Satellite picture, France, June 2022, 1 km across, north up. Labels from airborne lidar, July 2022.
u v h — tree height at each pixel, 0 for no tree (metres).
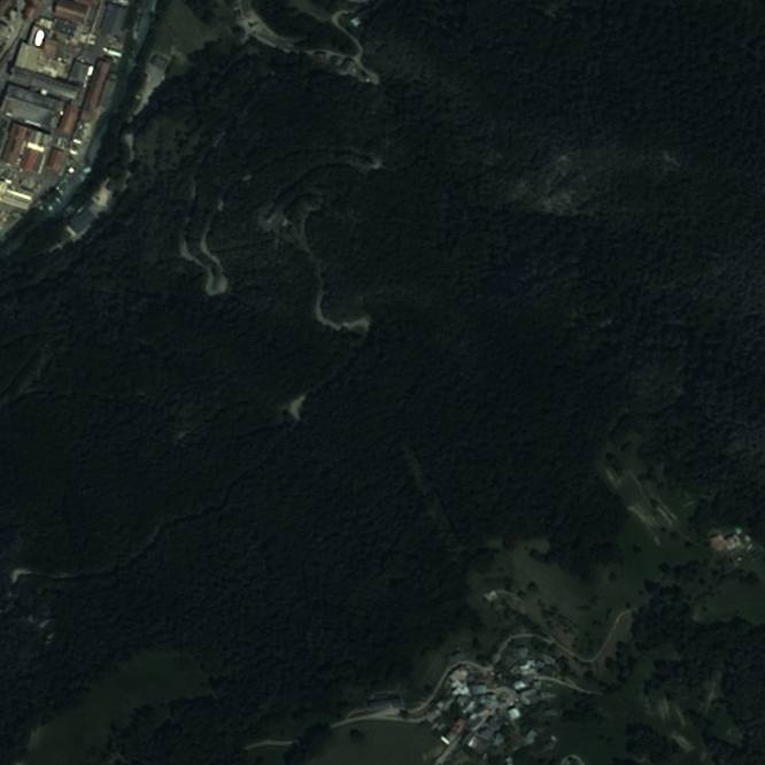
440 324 17
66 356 19
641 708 0
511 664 0
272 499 19
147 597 29
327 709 21
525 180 16
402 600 30
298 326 21
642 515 0
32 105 0
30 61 0
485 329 22
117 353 30
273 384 15
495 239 22
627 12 35
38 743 0
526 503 34
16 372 10
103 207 0
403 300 18
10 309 21
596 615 0
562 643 0
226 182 13
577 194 10
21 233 9
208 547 22
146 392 12
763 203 15
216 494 27
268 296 16
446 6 23
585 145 13
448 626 22
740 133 28
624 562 16
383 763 0
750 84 19
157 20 16
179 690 0
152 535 15
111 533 24
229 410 19
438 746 0
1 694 27
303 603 23
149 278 25
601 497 22
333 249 11
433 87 13
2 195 0
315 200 16
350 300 13
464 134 16
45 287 19
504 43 14
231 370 11
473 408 30
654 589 26
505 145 15
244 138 16
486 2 23
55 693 29
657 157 9
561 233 29
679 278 16
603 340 18
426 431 23
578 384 24
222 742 30
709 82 27
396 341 25
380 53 16
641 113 22
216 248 8
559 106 19
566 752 0
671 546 0
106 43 0
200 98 24
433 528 21
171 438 14
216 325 25
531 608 0
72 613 28
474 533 19
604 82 25
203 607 29
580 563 31
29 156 0
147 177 9
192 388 18
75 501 26
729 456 17
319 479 17
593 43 25
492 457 28
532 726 7
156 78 0
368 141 15
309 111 31
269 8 23
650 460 24
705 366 26
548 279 12
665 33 31
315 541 22
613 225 16
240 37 13
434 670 0
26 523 12
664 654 0
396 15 30
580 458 20
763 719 18
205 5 11
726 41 31
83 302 32
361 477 19
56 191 20
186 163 13
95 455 27
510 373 26
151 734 19
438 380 21
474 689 0
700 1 20
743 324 21
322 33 29
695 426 24
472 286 19
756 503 26
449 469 20
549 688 0
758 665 16
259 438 21
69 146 0
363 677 21
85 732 0
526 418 30
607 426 18
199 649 27
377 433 21
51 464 17
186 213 6
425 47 14
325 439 17
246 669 28
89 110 0
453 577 22
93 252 22
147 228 14
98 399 22
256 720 27
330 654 28
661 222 23
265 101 18
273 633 26
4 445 15
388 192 18
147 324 22
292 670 25
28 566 15
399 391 22
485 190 10
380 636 29
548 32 25
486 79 26
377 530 18
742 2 22
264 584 29
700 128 31
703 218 24
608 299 35
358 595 20
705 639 25
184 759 23
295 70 24
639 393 11
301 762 18
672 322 23
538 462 21
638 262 18
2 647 15
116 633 28
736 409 20
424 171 31
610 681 0
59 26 0
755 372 31
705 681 22
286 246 8
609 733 0
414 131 32
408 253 31
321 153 17
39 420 20
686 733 0
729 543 0
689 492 19
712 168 17
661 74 28
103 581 27
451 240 27
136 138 9
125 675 0
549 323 23
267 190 17
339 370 16
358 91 18
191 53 0
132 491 21
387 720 0
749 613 0
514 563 0
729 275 15
